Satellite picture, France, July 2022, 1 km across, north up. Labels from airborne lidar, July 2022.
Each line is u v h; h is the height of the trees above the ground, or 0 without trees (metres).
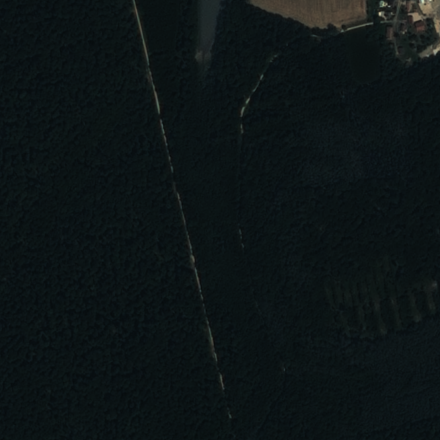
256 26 24
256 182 19
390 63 9
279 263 19
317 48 12
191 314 22
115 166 30
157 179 29
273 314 25
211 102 22
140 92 13
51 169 27
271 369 25
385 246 20
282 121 12
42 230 33
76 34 26
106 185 25
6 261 24
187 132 20
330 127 20
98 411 27
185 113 22
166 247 25
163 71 7
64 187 27
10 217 29
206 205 20
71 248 29
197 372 29
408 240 21
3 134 27
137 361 31
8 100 26
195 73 18
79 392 29
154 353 27
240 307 23
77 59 28
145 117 26
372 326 7
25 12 29
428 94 26
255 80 18
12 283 25
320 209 29
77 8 27
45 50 30
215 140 22
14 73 30
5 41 26
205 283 21
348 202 28
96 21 30
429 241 23
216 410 29
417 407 17
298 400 20
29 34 31
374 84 14
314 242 23
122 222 26
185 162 24
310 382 14
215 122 23
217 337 27
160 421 27
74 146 28
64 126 30
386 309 9
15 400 30
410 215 26
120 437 28
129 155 25
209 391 29
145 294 31
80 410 29
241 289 22
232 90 26
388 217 27
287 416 21
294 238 27
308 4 0
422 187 30
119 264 24
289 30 25
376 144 20
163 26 9
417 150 23
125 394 31
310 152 17
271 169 22
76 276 8
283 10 0
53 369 29
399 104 19
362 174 19
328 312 23
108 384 31
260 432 20
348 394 17
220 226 18
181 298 22
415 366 23
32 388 27
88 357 27
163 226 22
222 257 18
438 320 18
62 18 30
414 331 24
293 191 26
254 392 18
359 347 18
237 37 24
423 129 22
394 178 24
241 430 20
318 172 20
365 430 13
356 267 23
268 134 24
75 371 12
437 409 18
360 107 19
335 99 12
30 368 30
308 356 22
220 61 26
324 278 29
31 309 26
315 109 9
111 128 18
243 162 24
